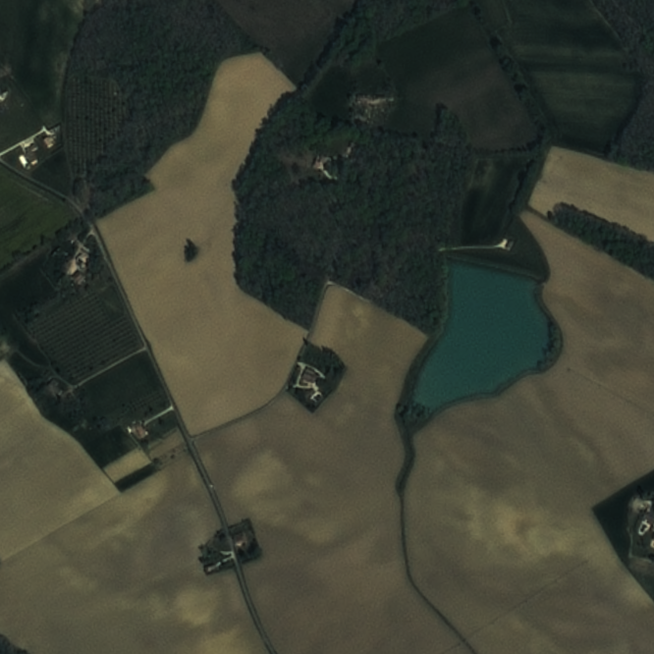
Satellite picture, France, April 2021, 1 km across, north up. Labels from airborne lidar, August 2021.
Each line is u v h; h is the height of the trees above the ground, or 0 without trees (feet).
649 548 32
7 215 0
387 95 49
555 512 0
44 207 0
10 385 0
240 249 60
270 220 56
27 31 0
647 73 55
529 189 63
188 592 0
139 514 0
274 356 0
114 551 0
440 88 0
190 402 0
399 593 0
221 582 0
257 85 0
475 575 0
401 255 56
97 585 0
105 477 0
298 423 0
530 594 0
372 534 0
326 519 0
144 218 0
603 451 0
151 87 67
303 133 61
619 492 0
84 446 0
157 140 80
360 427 0
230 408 0
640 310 0
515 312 0
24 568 0
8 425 0
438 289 67
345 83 0
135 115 62
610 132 0
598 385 0
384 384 0
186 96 67
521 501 0
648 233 0
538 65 0
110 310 0
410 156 54
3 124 0
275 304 57
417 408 32
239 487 0
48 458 0
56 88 0
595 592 0
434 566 0
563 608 0
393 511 0
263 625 0
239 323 0
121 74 61
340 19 0
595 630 0
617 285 0
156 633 0
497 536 0
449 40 0
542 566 0
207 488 0
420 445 0
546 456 0
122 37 64
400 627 0
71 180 25
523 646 0
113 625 0
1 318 0
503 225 0
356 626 0
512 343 0
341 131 59
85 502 0
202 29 59
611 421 0
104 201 72
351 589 0
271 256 69
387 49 0
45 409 56
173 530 0
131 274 0
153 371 0
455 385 0
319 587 0
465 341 0
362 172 59
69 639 0
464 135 58
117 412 0
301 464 0
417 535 0
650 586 0
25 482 0
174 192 0
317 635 0
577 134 0
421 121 0
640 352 0
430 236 73
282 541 0
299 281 53
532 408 0
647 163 53
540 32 0
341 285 56
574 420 0
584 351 0
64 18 0
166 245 0
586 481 0
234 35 61
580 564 0
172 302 0
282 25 0
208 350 0
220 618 0
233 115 0
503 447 0
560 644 0
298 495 0
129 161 83
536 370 0
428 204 56
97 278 25
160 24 67
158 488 0
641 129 64
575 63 0
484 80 0
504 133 0
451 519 0
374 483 0
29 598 0
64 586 0
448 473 0
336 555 0
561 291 0
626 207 0
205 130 0
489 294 0
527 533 0
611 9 52
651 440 0
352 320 0
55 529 0
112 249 0
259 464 0
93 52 60
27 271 0
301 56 0
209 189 0
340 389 0
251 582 0
